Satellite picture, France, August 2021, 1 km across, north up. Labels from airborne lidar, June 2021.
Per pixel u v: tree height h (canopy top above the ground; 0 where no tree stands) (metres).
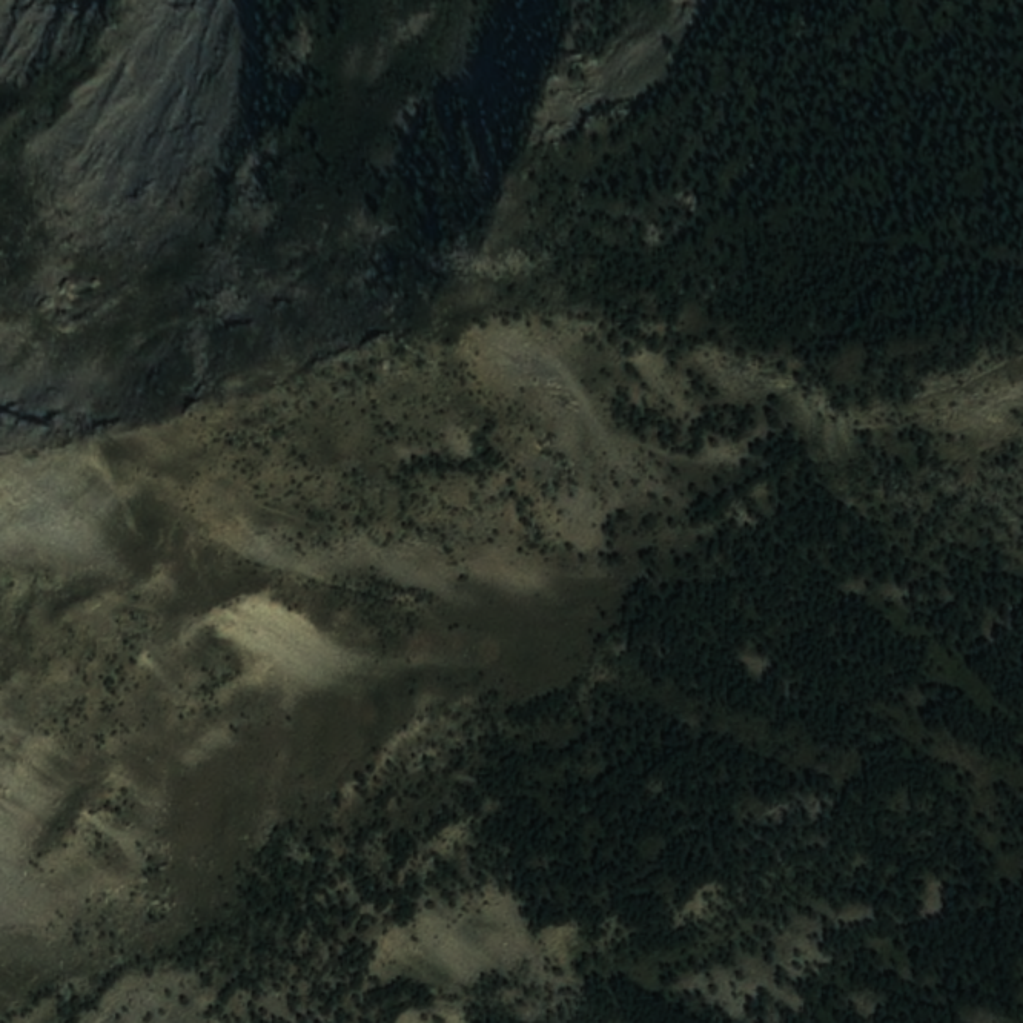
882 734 13
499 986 17
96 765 0
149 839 0
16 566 0
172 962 7
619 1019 20
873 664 17
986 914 9
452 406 0
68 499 0
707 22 13
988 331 13
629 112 7
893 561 14
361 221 0
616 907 14
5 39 0
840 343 8
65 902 0
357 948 12
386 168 0
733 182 0
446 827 12
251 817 0
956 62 16
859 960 16
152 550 0
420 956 0
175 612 0
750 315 8
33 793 0
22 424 0
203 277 0
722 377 0
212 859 0
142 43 0
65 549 0
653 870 12
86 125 0
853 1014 12
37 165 0
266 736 0
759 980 0
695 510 11
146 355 0
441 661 0
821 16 18
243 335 0
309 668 0
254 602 0
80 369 0
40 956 0
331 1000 8
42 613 0
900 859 15
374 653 0
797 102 15
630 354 18
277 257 0
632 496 0
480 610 0
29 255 0
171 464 0
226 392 0
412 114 0
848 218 18
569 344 0
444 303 0
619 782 22
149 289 0
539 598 0
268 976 8
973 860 21
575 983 0
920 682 21
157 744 0
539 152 6
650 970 0
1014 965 28
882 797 12
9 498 0
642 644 22
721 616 11
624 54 0
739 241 7
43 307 0
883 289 13
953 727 26
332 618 0
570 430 0
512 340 0
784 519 20
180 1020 0
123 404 0
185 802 0
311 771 0
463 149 12
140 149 0
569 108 0
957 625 22
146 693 0
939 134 23
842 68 22
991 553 15
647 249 12
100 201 0
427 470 13
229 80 0
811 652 19
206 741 0
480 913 5
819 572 17
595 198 17
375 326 0
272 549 0
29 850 0
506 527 0
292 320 0
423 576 0
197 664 0
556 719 8
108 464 0
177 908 0
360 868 10
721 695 20
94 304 0
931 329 11
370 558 0
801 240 9
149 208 0
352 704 0
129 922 0
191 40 0
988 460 10
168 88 0
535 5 18
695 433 14
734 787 14
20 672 0
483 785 10
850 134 22
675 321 10
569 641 0
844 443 0
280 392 0
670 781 12
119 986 0
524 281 0
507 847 12
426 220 0
